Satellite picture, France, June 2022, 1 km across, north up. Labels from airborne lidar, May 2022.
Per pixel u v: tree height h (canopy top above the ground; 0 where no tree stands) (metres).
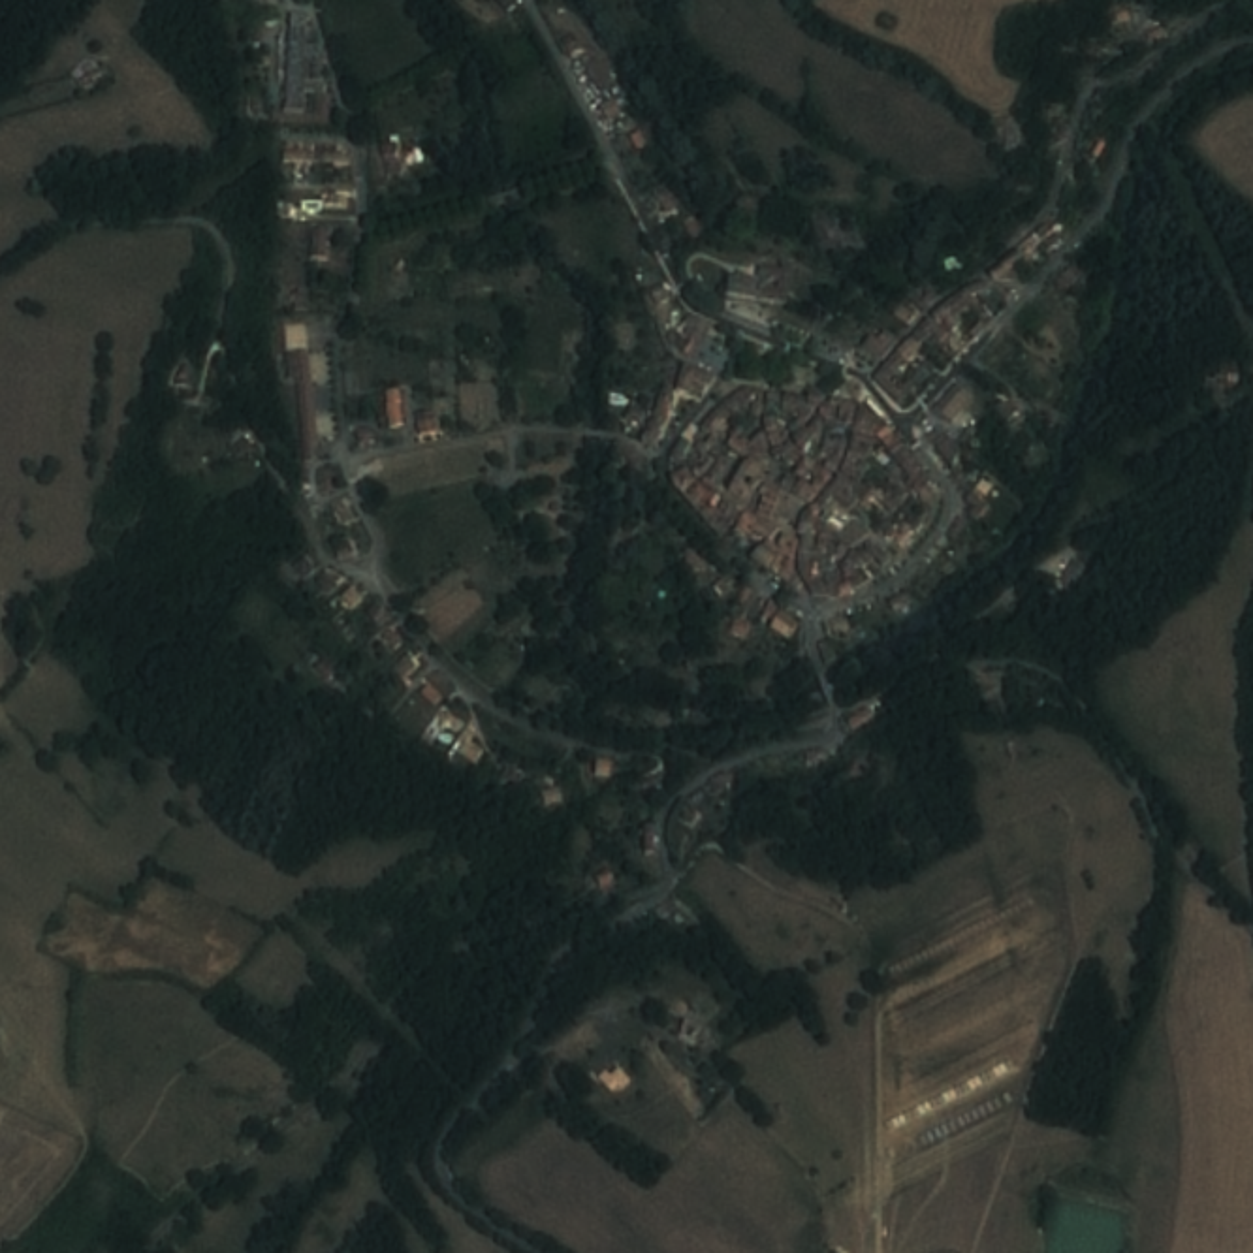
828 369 10
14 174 0
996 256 6
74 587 10
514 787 14
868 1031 0
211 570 7
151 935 0
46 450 0
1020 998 0
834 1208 0
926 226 22
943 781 12
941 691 13
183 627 17
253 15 10
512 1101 14
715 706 20
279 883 0
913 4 0
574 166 15
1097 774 0
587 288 32
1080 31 11
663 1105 0
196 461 0
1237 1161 0
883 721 13
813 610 0
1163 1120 0
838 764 6
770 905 0
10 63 20
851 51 12
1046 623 19
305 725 31
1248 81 9
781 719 21
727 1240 0
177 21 21
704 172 16
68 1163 0
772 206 18
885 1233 0
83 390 0
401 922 12
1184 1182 0
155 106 0
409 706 0
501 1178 0
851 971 0
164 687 17
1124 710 0
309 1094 10
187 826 8
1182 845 19
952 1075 0
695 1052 9
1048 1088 12
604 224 0
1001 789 0
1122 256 16
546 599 12
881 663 34
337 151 0
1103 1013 16
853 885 13
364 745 15
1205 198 24
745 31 0
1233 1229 0
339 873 0
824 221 0
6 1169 0
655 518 23
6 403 0
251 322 8
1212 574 16
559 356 0
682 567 12
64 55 0
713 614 13
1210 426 16
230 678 17
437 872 6
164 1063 0
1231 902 16
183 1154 0
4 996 0
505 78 15
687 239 10
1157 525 16
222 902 0
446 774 14
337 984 15
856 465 0
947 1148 0
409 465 0
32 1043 0
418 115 0
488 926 29
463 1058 15
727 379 9
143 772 16
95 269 0
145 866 14
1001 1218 0
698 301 13
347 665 9
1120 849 0
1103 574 15
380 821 17
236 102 14
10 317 0
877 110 0
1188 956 0
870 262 23
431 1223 10
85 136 0
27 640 26
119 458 9
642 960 8
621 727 16
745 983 22
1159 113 6
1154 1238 0
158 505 12
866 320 9
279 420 12
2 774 0
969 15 0
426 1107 14
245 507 19
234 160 10
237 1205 12
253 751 18
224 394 6
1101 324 22
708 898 0
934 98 10
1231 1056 0
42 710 0
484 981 25
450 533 0
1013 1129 0
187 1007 0
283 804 24
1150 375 16
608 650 15
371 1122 24
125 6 0
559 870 10
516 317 17
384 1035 17
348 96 18
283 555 16
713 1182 0
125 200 15
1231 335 17
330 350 5
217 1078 0
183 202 8
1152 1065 0
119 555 14
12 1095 0
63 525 0
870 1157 0
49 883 0
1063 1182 0
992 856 0
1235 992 0
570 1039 0
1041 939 0
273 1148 19
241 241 11
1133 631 17
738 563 11
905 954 0
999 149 11
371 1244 13
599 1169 0
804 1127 0
